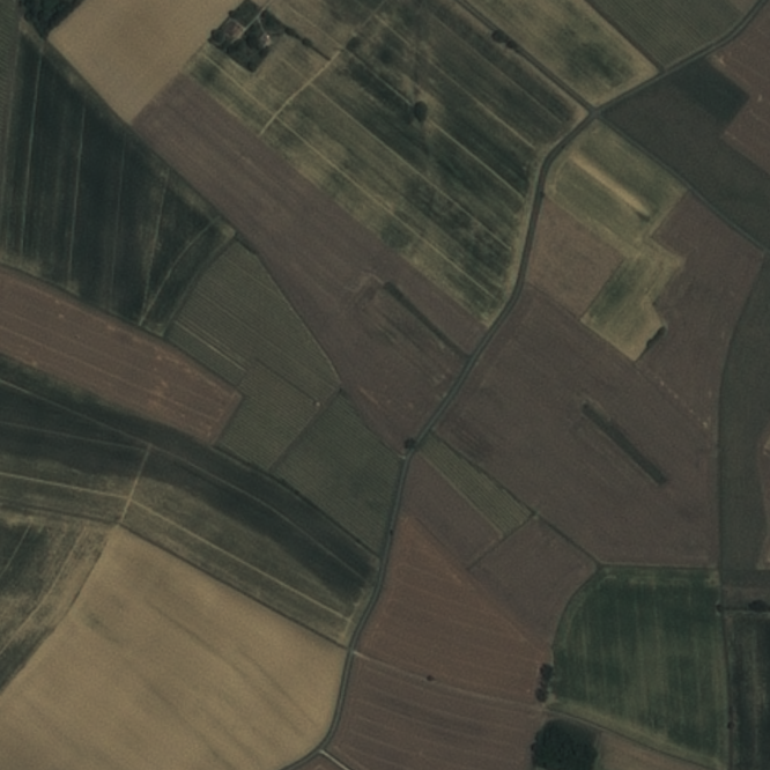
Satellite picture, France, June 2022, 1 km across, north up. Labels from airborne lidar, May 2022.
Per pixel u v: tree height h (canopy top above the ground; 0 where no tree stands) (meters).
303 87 0
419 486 0
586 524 0
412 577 0
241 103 0
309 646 0
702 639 0
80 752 0
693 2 0
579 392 0
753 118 0
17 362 0
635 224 0
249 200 0
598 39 0
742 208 0
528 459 0
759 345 0
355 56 0
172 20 0
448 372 0
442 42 0
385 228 0
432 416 0
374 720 0
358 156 0
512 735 0
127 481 0
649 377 0
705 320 0
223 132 0
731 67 0
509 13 0
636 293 0
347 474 0
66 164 0
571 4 0
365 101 0
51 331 0
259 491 0
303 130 0
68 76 0
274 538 0
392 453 0
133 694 0
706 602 0
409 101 0
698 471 0
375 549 0
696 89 0
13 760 0
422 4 0
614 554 0
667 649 0
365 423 0
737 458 0
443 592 0
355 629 0
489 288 0
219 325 0
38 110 0
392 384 0
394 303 0
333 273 0
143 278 0
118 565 0
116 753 0
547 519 0
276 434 0
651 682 0
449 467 0
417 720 0
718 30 0
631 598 0
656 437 0
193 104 0
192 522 0
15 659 0
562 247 0
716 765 0
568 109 0
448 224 0
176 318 0
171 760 0
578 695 0
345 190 0
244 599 0
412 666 0
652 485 0
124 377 0
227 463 0
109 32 0
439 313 0
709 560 0
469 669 0
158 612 0
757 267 0
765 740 0
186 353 0
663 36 0
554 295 0
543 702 19
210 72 0
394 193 0
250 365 0
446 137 0
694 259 0
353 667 0
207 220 0
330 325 0
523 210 0
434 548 0
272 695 0
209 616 0
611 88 0
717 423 0
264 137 0
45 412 0
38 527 0
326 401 0
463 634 0
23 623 0
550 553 0
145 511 0
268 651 0
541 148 0
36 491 0
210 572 0
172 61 0
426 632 0
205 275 0
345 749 0
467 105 0
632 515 0
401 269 0
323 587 0
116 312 0
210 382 0
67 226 0
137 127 0
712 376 0
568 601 0
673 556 0
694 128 0
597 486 0
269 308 0
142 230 0
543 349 0
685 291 0
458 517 0
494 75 0
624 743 0
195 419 0
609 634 0
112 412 0
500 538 0
